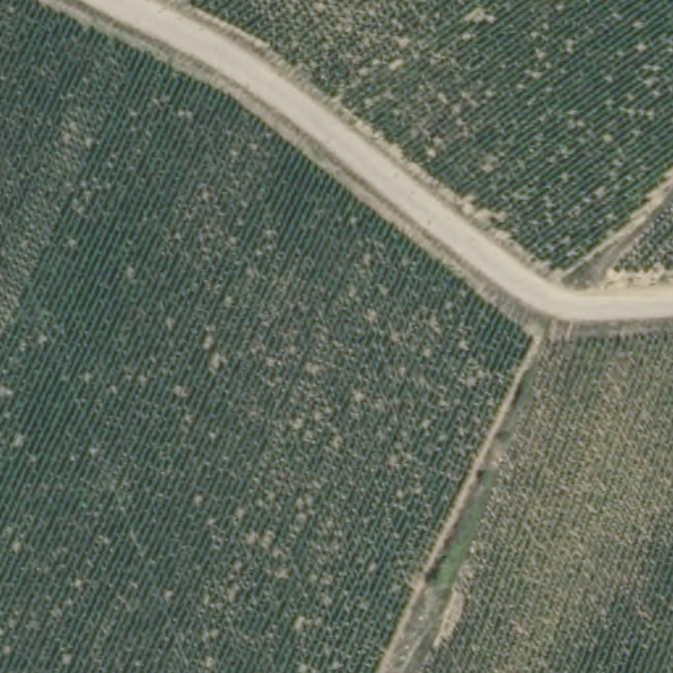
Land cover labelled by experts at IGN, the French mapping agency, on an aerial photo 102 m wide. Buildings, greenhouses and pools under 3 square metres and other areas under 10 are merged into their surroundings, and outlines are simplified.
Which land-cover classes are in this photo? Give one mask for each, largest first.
<instances>
[{"label":"vineyard","instance_id":"1","mask_svg":"<svg viewBox=\"0 0 673 673\"><path fill-rule=\"evenodd\" d=\"M97 0H0V673H673V315L620 321H565L523 305L486 273L473 268L450 244L434 237L429 229H423L410 213H405L394 200H389L358 171H352L339 155L323 147L297 121L273 108L260 95H255L247 84H239L223 71L213 68L210 63L97 11ZM189 21L210 29L218 37H226L244 53L260 58L271 71L292 81L297 89L318 100L355 137L371 145L381 158L397 166L418 187L431 192V197L450 208L460 221L486 234L492 244L502 247L510 258L528 266L536 276L549 279L552 284H565L570 289L589 287L594 294H626L628 289L649 292L660 287H673V0H171Z\"/></svg>","mask_w":673,"mask_h":673},{"label":"pervious surface","instance_id":"2","mask_svg":"<svg viewBox=\"0 0 673 673\"><path fill-rule=\"evenodd\" d=\"M97 11L210 63L213 68L223 71L239 84H247L255 95H260L273 108L297 121L323 147L339 155L352 171H358L389 200H394L405 213H410L423 229H429L434 237L450 244L473 268L486 273L523 305L565 321H620L673 315V287H660L649 292L628 289L626 294H594L589 287L570 289L565 284H552L549 279L536 276L528 266L510 258L502 247L492 244L486 234L460 221L450 208L431 197V192L418 187L397 166L381 158L371 145L355 137L318 100L297 89L292 81L271 71L260 58L244 53L226 37H218L210 29L189 21L171 0H97Z\"/></svg>","mask_w":673,"mask_h":673}]
</instances>
